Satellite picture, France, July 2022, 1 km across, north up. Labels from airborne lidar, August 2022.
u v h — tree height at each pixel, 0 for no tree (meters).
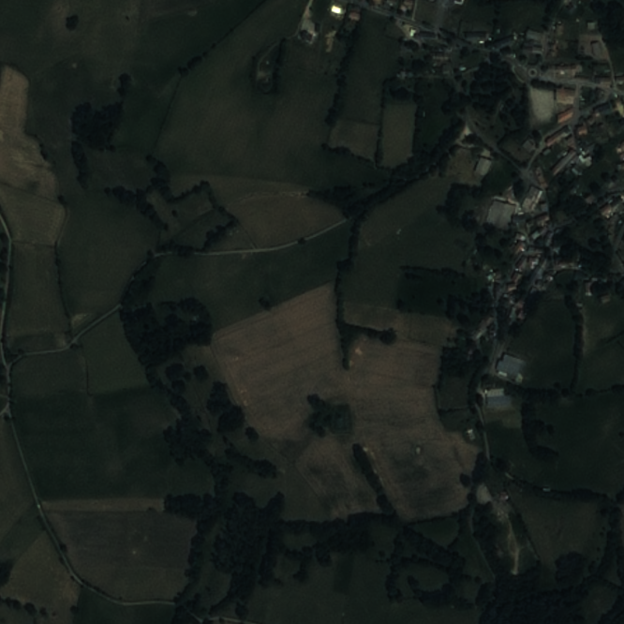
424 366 0
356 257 8
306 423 0
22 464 0
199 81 0
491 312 9
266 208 0
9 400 8
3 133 0
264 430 0
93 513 0
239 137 0
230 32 6
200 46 0
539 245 10
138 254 0
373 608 0
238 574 17
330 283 0
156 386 20
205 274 0
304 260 0
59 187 0
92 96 0
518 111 12
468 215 13
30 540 0
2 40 0
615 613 9
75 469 0
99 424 0
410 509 0
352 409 0
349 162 0
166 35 0
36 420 0
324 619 0
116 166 0
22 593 0
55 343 0
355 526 22
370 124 0
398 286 0
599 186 17
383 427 0
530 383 0
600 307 0
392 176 8
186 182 0
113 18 0
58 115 0
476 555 0
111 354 0
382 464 0
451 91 12
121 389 0
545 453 18
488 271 0
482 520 12
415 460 0
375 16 0
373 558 0
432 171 9
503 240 8
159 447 0
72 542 0
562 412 0
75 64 0
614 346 0
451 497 0
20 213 0
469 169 0
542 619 16
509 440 0
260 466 17
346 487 0
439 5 0
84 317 0
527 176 0
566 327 0
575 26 0
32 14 0
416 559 11
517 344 0
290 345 0
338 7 0
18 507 0
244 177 0
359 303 0
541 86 10
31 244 0
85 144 9
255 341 0
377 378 0
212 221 0
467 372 11
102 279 0
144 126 0
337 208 6
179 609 10
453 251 0
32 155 0
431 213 0
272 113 0
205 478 0
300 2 0
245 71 0
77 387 0
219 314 0
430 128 0
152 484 0
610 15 19
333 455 0
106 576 0
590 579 7
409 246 0
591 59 7
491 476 0
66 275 0
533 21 0
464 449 0
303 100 0
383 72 0
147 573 0
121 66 0
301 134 0
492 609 20
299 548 0
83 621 0
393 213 0
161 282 0
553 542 0
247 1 0
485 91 11
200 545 22
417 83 7
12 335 0
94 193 0
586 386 0
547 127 0
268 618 0
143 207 15
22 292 0
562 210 6
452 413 6
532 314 15
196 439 24
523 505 0
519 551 0
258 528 29
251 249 0
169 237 0
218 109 0
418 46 12
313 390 0
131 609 0
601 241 13
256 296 0
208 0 0
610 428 0
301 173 0
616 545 9
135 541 0
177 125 0
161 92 0
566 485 0
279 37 0
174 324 29
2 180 0
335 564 0
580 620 21
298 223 0
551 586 0
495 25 9
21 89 0
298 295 0
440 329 0
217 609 8
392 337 15
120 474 0
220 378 0
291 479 0
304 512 0
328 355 0
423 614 0
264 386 0
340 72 5
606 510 8
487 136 0
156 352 6
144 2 0
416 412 0
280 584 7
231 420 12
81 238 0
